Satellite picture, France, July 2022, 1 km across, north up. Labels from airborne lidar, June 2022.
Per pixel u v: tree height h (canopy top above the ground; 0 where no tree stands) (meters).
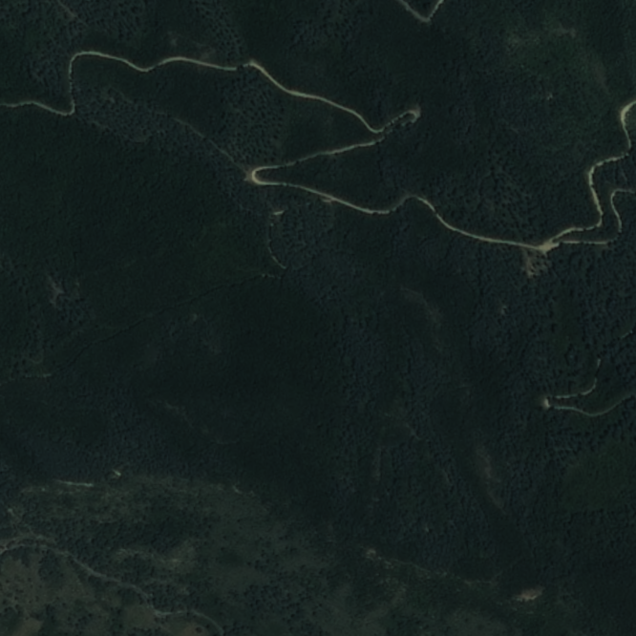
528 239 15
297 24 6
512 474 6
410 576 7
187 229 14
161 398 7
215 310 9
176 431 7
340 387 10
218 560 7
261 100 16
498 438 6
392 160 15
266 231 14
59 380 9
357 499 12
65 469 11
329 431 13
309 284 15
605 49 11
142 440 13
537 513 13
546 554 8
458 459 8
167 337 9
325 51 6
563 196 11
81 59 7
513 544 9
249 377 10
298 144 8
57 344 9
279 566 7
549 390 20
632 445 8
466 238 14
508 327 19
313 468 9
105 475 10
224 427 6
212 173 12
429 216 9
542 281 17
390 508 10
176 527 7
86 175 14
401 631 6
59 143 14
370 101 7
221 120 7
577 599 6
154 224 14
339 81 6
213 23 16
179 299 7
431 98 6
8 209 12
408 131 12
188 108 6
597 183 8
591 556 15
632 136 8
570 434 22
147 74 8
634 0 6
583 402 6
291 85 6
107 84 8
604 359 20
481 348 9
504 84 12
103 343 9
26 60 16
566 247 16
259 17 8
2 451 6
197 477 9
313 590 6
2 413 7
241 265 6
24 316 13
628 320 20
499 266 20
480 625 5
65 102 16
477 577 6
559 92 6
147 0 12
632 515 7
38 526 9
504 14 7
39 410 8
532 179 11
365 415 8
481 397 10
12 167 12
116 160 9
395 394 11
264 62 7
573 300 7
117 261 11
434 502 9
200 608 10
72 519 9
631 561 9
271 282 11
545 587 7
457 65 13
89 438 6
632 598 9
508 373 11
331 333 12
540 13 8
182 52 5
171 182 9
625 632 8
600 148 12
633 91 11
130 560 9
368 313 6
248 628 8
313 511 7
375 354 16
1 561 15
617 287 20
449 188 18
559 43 6
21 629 0
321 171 10
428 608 7
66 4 11
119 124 17
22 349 16
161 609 9
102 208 11
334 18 21
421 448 9
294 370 15
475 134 18
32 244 10
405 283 6
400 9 8
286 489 7
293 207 17
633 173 14
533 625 11
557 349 6
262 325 12
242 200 13
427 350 9
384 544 8
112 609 9
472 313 10
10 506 8
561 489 12
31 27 13
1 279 11
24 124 14
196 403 8
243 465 7
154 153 14
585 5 13
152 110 14
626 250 17
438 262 13
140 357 7
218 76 6
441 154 7
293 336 14
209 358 6
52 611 12
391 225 6
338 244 7
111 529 10
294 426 7
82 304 19
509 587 6
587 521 14
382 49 6
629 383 20
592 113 8
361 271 12
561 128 11
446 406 11
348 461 9
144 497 6
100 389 10
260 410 7
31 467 7
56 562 10
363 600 6
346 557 7
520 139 12
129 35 20
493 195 7
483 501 9
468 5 12
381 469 7
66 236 14
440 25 13
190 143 16
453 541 11
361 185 5
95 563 12
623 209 10
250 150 13
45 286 11
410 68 6
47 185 13
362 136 6
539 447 11
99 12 20
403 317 9
